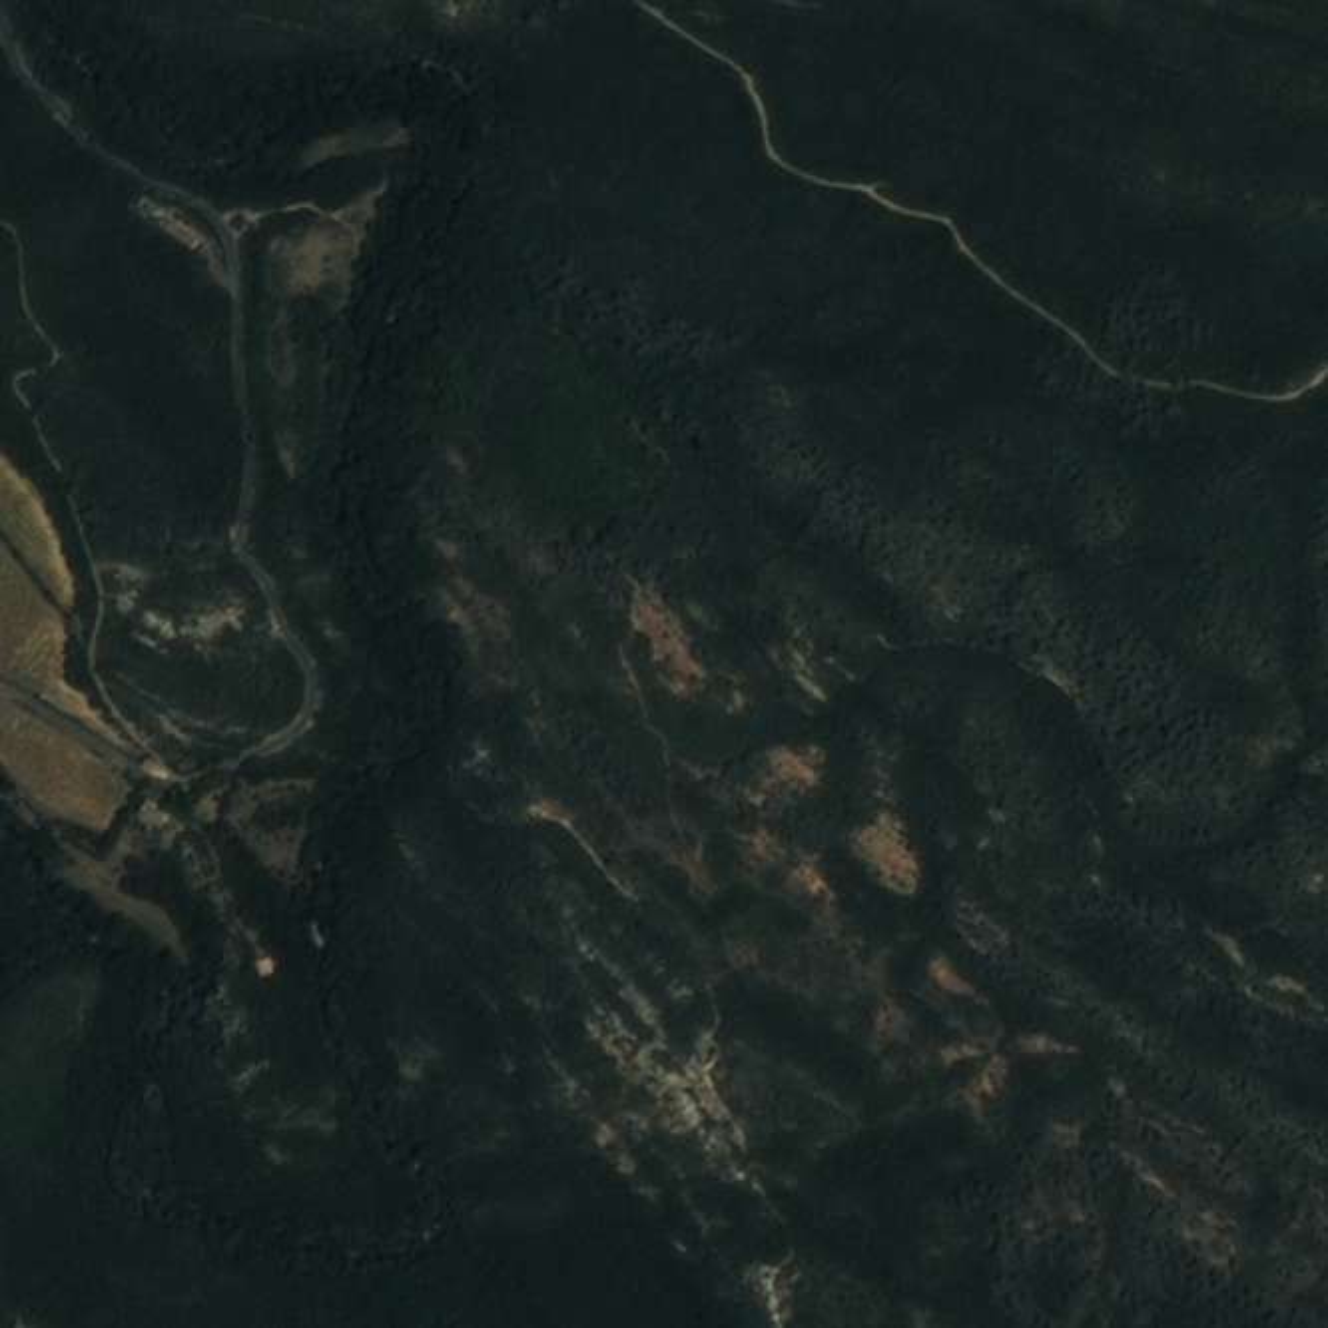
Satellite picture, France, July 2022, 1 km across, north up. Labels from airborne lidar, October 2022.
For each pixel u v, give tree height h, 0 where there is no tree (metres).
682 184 6
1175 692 13
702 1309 10
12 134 8
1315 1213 9
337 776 13
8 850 16
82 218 6
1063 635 9
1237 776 6
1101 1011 10
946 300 6
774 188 6
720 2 6
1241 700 5
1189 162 6
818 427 6
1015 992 13
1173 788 11
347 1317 9
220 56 8
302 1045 10
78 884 0
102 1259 6
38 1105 6
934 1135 6
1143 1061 10
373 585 20
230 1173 11
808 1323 8
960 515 12
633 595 9
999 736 9
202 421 7
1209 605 9
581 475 9
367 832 15
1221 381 10
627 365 6
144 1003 6
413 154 9
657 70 7
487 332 7
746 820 11
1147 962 12
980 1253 7
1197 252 6
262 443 7
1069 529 9
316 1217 10
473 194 11
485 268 13
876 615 5
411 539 8
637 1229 7
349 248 0
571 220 7
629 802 6
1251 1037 9
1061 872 7
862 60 6
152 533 10
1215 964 6
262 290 8
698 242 6
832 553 7
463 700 10
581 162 7
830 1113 6
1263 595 8
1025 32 5
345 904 14
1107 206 6
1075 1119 8
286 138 24
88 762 0
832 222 6
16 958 13
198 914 7
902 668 6
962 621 8
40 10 18
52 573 0
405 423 10
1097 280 7
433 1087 6
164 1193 12
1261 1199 6
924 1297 5
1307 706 5
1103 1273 6
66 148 10
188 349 5
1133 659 6
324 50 8
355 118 20
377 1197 7
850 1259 6
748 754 9
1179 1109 9
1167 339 6
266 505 8
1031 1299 8
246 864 10
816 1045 6
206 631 0
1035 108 8
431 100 27
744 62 7
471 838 9
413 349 13
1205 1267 9
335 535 13
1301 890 11
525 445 8
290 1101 6
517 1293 10
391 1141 13
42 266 8
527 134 8
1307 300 7
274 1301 11
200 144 10
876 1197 7
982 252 6
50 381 6
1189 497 6
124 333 6
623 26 6
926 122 6
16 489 0
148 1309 6
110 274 7
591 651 7
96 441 6
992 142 6
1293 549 7
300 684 7
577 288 11
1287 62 6
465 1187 9
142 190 10
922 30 6
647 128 6
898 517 7
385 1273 10
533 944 8
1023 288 6
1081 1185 7
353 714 7
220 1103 6
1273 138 6
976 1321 5
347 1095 13
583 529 13
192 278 5
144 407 9
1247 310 6
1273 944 6
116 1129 15
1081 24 5
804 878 0
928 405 7
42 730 0
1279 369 6
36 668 0
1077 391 13
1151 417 14
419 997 6
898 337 6
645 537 8
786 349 7
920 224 6
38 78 9
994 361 7
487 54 11
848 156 6
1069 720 6
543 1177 10
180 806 14
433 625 10
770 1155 6
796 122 6
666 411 19
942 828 10
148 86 13
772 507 6
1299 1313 10
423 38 8
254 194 9
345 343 23
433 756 15
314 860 20
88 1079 11
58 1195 8
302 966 16
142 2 6
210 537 11
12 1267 6
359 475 23
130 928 31
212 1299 6
